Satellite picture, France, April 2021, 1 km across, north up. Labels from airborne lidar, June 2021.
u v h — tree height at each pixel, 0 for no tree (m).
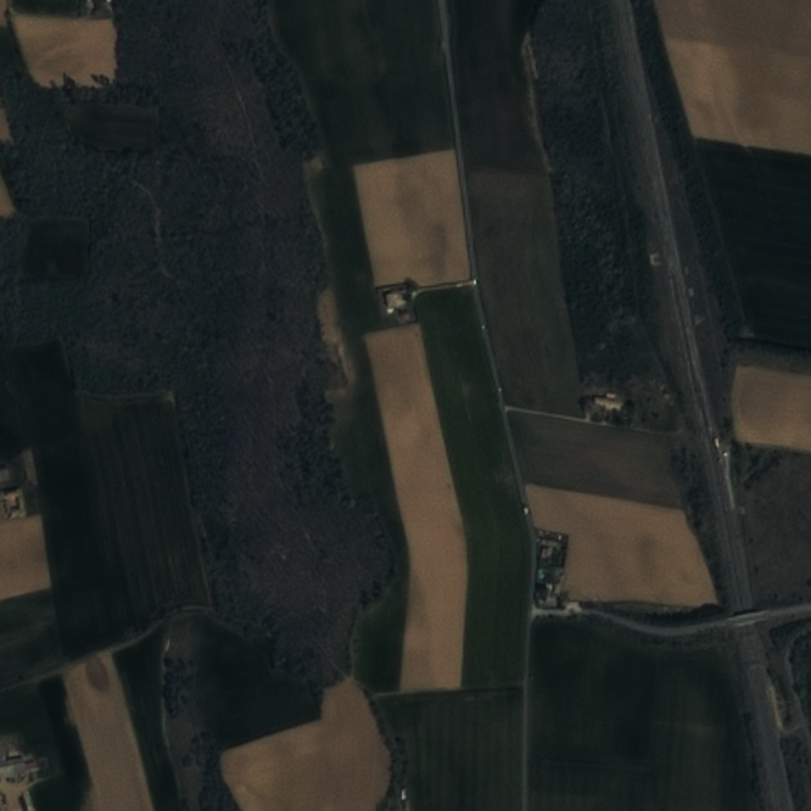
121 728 0
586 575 0
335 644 15
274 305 18
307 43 0
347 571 15
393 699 0
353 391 0
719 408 0
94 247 7
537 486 0
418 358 0
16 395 0
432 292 0
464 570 0
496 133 0
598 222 6
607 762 0
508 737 0
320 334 13
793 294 0
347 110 0
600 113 14
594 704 0
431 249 0
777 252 0
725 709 0
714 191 0
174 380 11
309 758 0
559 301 0
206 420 12
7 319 12
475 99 0
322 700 12
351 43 0
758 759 0
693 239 0
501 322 0
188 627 0
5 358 0
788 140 0
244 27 17
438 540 0
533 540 0
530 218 0
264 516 18
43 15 0
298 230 13
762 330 0
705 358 0
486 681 0
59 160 13
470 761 0
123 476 0
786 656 0
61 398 0
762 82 0
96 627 0
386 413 0
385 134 0
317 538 13
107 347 8
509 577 0
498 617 0
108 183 11
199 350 11
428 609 0
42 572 0
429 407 0
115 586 0
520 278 0
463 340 0
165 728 0
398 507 0
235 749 0
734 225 0
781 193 0
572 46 7
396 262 0
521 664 0
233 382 13
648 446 0
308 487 20
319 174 0
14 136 9
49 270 0
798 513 0
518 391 0
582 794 0
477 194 0
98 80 0
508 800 0
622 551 0
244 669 0
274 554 12
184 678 12
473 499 0
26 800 0
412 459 0
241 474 13
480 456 0
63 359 0
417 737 0
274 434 13
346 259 0
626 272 6
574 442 0
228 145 6
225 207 17
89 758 0
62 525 0
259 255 15
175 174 16
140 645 0
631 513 0
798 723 0
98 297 7
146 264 9
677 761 0
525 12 0
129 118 0
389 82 0
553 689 0
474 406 0
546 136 14
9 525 0
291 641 14
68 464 0
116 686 0
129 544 0
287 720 0
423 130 0
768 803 0
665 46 0
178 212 7
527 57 0
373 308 0
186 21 11
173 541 0
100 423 0
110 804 0
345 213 0
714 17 0
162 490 0
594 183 10
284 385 11
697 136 0
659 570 0
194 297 14
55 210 9
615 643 0
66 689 0
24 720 0
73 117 0
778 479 0
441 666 0
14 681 0
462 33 0
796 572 0
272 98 7
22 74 6
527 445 0
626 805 0
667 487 0
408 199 0
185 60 7
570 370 0
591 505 0
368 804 0
